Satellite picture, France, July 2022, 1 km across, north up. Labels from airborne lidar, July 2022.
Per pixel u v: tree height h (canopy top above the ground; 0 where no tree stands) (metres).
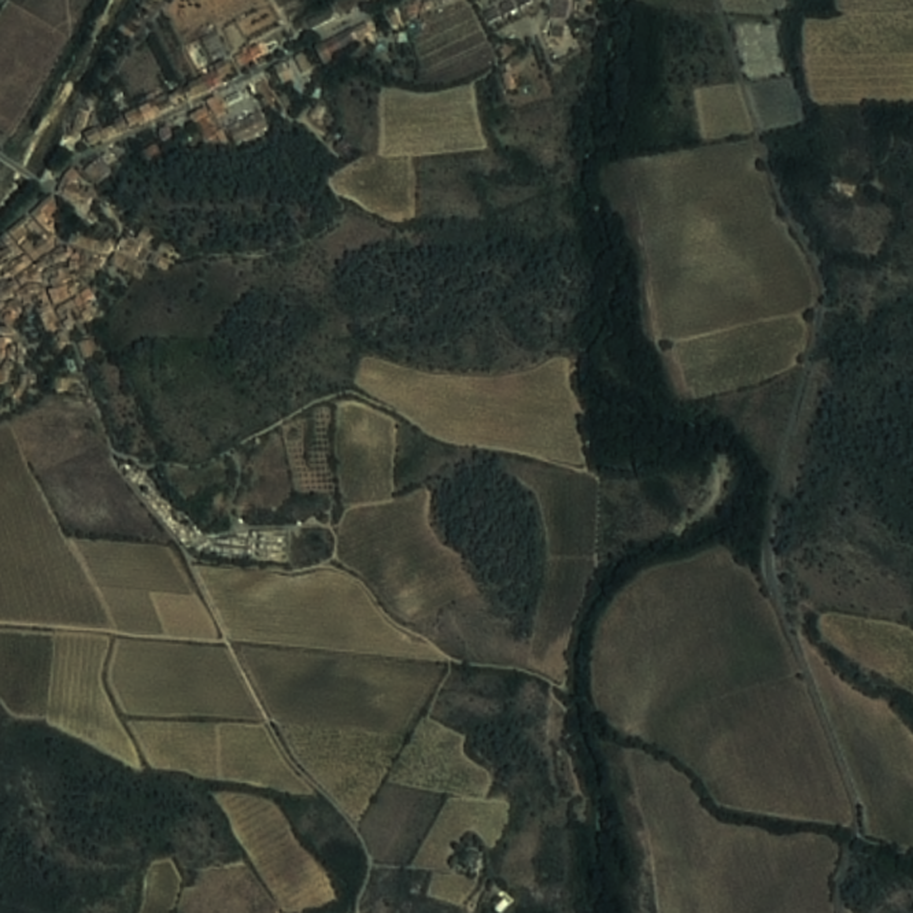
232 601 0
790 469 0
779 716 0
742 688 0
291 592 0
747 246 0
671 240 0
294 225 13
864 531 0
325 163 14
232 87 0
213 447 0
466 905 0
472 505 8
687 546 7
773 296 0
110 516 0
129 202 14
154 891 0
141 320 0
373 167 0
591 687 11
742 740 0
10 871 8
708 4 0
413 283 11
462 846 10
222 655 0
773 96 0
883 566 0
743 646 0
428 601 0
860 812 10
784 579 14
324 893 0
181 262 7
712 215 0
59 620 0
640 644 0
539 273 13
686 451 14
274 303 6
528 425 0
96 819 12
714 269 0
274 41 0
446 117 0
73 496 0
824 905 0
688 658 0
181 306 0
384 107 0
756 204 0
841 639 0
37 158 0
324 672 0
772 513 0
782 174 9
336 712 0
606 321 18
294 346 13
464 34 0
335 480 8
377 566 0
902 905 0
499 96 9
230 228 11
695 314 0
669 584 0
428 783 0
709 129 0
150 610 0
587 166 15
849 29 0
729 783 0
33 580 0
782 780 0
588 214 13
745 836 0
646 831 0
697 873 0
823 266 10
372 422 0
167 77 8
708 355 0
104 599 0
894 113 10
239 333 11
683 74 7
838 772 0
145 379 0
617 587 14
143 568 0
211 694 0
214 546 0
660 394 8
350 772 0
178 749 0
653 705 0
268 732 0
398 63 10
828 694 0
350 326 9
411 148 0
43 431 0
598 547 6
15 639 0
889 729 0
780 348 0
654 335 0
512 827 6
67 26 0
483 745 7
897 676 0
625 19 21
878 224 0
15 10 0
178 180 16
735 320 0
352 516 0
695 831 0
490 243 9
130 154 6
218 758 0
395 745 0
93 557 0
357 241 0
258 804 0
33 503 0
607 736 16
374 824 0
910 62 0
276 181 12
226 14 0
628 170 0
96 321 9
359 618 0
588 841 7
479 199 6
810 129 8
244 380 9
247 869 0
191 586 0
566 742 8
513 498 10
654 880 0
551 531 0
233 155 11
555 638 0
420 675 0
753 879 0
